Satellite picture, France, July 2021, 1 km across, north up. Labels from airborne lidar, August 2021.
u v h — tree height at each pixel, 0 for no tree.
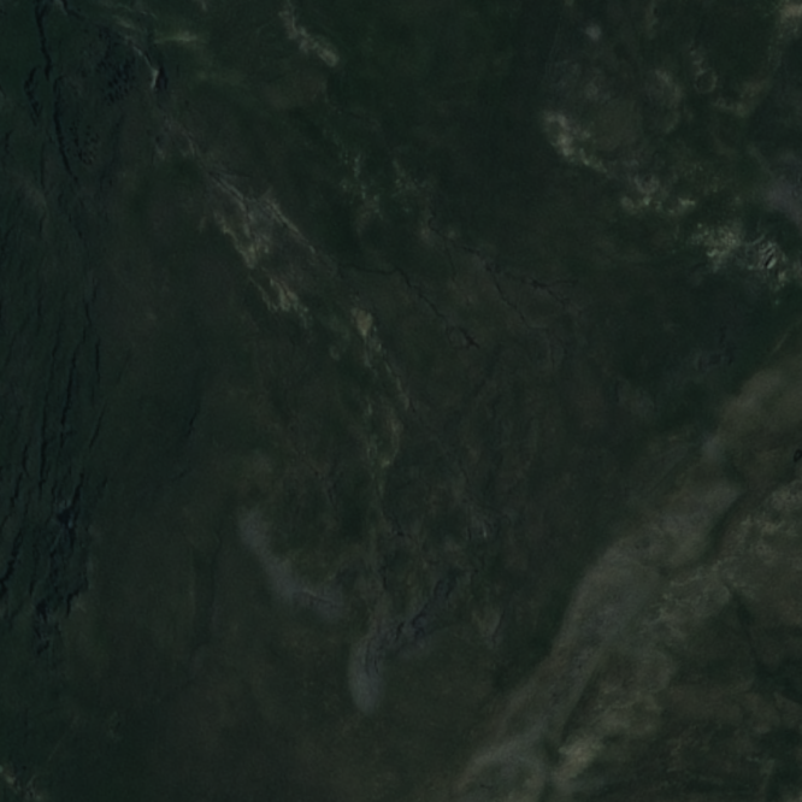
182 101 0
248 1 0
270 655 0
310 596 0
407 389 0
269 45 0
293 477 0
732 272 0
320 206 0
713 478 0
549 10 0
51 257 0
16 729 0
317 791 0
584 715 0
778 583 0
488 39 0
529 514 0
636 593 0
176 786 0
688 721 0
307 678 0
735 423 0
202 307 0
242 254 0
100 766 0
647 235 0
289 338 0
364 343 0
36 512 0
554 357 0
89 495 0
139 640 0
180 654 0
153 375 0
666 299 0
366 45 0
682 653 0
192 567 0
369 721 0
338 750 0
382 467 0
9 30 0
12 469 0
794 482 0
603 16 0
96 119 0
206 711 0
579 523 0
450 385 0
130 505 0
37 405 0
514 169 0
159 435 0
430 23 0
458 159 0
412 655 0
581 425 0
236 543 0
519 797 0
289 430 0
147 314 0
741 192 0
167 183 0
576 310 0
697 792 0
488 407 0
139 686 0
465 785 0
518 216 0
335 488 0
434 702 0
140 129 0
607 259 0
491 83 0
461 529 0
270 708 0
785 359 0
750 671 0
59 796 0
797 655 0
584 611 0
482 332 0
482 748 0
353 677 0
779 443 0
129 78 7
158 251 0
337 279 0
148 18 0
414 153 0
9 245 0
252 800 0
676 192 0
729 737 0
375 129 0
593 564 0
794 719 0
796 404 0
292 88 0
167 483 0
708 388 0
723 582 0
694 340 0
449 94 0
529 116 0
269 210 0
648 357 0
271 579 0
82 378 0
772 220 0
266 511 0
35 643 0
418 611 0
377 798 0
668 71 0
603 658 0
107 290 0
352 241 0
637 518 0
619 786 0
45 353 0
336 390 0
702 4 0
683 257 0
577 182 0
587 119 0
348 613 0
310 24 0
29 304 0
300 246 0
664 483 0
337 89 0
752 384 0
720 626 0
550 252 0
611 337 0
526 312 0
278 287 0
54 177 0
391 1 0
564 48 0
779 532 0
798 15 0
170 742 0
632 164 0
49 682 0
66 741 0
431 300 0
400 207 0
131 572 0
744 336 0
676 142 0
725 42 0
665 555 0
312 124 0
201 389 0
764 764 0
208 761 0
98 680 0
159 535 0
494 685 0
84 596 0
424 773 0
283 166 0
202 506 0
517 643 0
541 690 0
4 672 0
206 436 0
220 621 0
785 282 0
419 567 0
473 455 0
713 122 0
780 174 0
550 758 0
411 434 0
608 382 0
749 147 0
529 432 0
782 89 0
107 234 0
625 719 0
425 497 0
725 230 0
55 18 0
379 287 0
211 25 0
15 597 0
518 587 0
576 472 0
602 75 0
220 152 0
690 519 0
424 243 0
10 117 0
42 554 0
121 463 0
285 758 0
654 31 0
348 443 0
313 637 0
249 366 0
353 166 0
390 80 0
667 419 0
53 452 0
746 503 0
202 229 0
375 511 0
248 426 0
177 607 0
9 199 0
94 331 0
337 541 0
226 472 0
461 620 0
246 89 0
